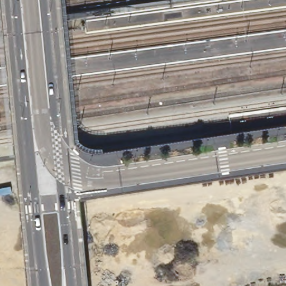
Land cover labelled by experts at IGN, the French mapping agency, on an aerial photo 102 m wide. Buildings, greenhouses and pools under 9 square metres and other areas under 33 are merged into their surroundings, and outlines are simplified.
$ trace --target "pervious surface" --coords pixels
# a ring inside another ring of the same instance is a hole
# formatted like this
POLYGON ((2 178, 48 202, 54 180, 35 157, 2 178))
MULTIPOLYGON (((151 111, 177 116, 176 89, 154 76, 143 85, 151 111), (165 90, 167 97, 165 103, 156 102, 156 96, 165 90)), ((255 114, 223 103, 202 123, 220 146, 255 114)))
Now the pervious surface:
POLYGON ((214 181, 206 187, 199 183, 87 201, 86 218, 82 220, 87 286, 286 286, 286 171, 274 173, 273 178, 252 179, 240 184, 220 184, 214 181))
POLYGON ((4 118, 6 113, 0 109, 0 189, 12 187, 9 182, 9 162, 6 158, 7 140, 2 134, 7 131, 4 118))
POLYGON ((136 149, 145 145, 192 141, 196 137, 204 139, 286 126, 286 50, 74 78, 79 98, 78 111, 80 114, 84 113, 85 117, 83 128, 77 128, 79 143, 89 149, 103 150, 105 153, 136 149))
POLYGON ((15 249, 20 221, 19 211, 11 206, 15 204, 12 196, 0 197, 0 286, 26 286, 23 254, 21 250, 15 249))
POLYGON ((73 30, 76 57, 286 29, 286 6, 93 30, 89 27, 89 22, 94 21, 161 12, 172 13, 255 0, 69 0, 71 6, 66 8, 66 12, 67 19, 71 20, 71 26, 76 26, 76 30, 73 30))

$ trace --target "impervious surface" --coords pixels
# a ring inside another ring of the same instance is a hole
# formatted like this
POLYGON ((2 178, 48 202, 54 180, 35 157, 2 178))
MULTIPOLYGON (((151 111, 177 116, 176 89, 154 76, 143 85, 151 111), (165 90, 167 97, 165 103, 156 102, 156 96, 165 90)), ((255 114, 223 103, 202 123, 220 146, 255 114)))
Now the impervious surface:
POLYGON ((206 187, 214 181, 220 184, 240 184, 252 179, 273 178, 274 173, 286 171, 286 126, 204 139, 196 137, 192 141, 145 145, 136 149, 105 153, 103 150, 89 149, 79 143, 77 128, 83 128, 85 117, 84 113, 80 114, 78 111, 79 98, 74 78, 286 50, 286 29, 76 57, 73 30, 76 30, 76 26, 71 26, 71 20, 67 19, 66 12, 66 8, 71 6, 69 0, 0 0, 0 109, 6 113, 4 118, 7 131, 2 134, 7 140, 6 158, 9 162, 9 182, 12 187, 12 196, 15 204, 11 206, 19 211, 20 221, 15 249, 21 250, 23 254, 26 286, 87 286, 82 220, 86 218, 87 201, 199 183, 206 187))
POLYGON ((94 21, 89 22, 89 27, 93 30, 286 6, 286 0, 255 0, 172 13, 161 12, 94 21))

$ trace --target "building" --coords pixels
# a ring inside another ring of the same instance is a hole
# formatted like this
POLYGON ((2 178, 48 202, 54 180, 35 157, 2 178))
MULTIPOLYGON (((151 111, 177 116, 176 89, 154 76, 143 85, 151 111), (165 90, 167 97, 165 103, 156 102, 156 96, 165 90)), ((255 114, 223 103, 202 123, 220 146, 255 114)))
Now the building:
POLYGON ((0 189, 0 197, 12 196, 12 187, 0 189))

